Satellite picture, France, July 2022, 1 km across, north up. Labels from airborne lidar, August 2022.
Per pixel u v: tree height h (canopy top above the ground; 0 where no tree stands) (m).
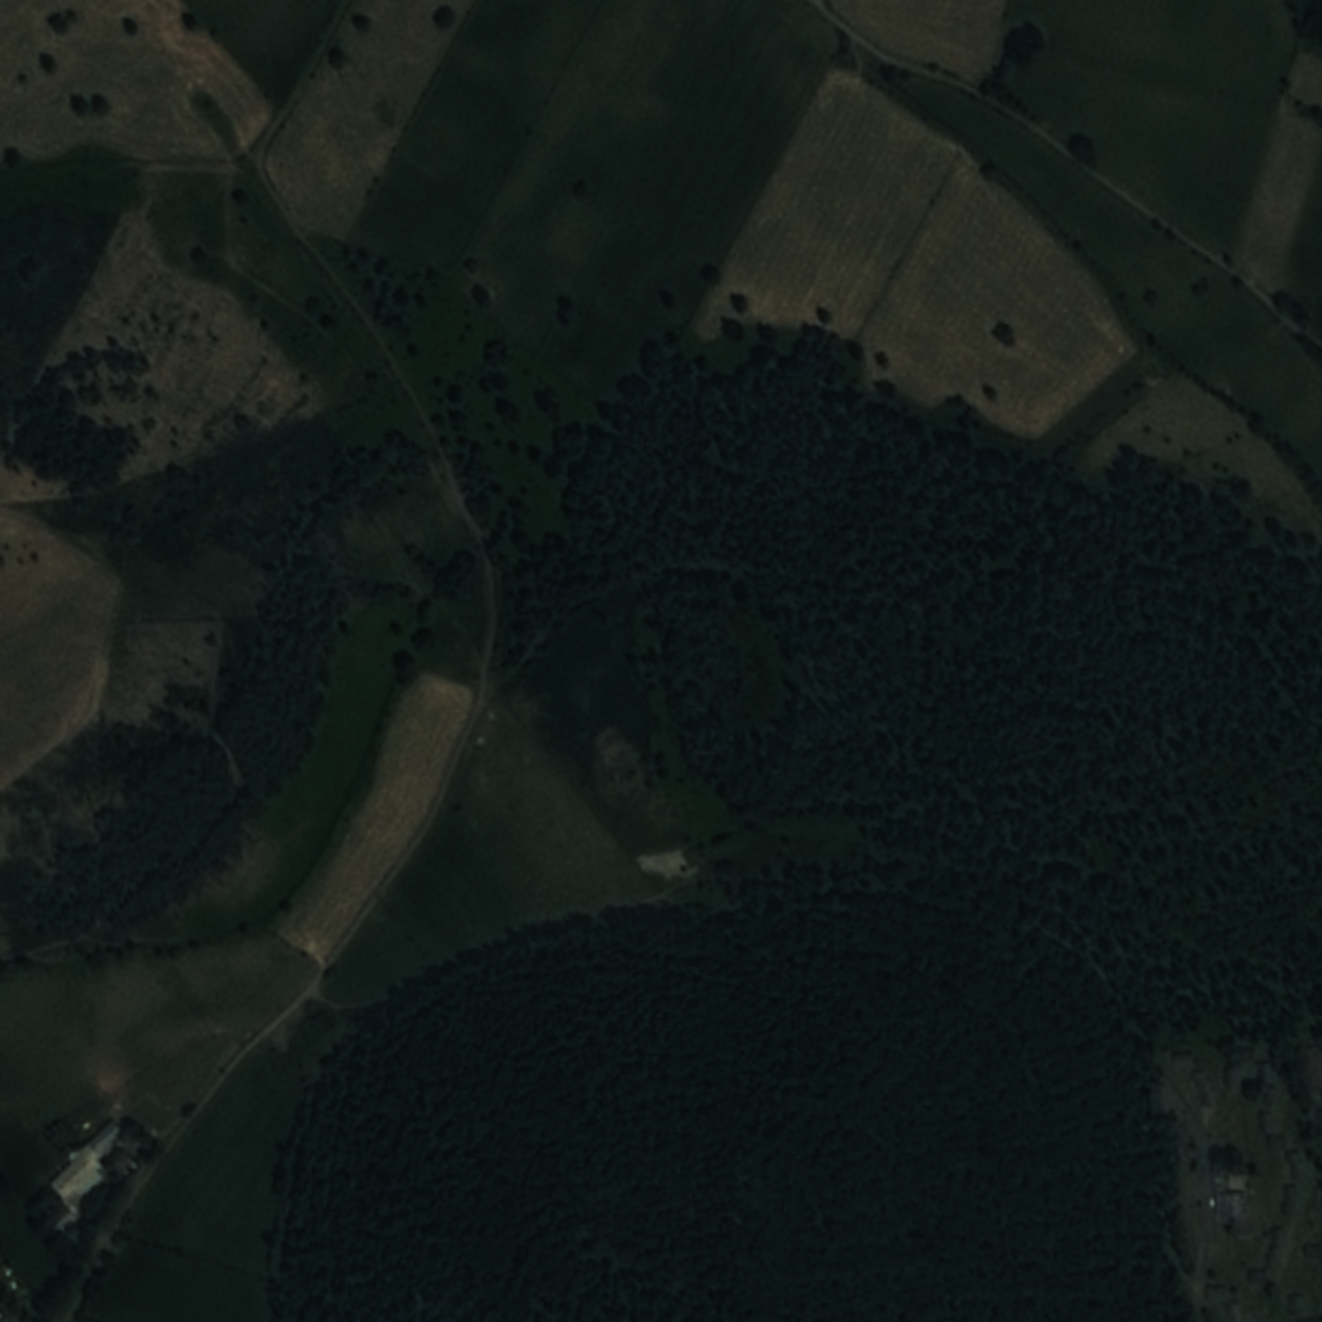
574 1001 9
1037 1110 17
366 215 0
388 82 0
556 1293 11
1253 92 0
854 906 17
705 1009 12
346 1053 8
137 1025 0
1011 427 0
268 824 0
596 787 0
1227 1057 10
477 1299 9
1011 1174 18
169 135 0
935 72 10
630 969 10
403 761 0
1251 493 17
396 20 0
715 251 0
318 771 0
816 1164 17
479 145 0
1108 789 21
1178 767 7
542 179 0
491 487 10
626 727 0
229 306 0
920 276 0
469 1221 10
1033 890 16
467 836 0
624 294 0
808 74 0
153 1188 0
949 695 16
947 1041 16
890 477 15
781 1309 13
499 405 9
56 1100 0
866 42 0
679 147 0
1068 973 19
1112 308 0
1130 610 12
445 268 0
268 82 0
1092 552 18
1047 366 0
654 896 0
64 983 0
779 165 0
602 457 24
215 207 0
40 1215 9
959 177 0
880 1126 17
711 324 0
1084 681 14
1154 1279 15
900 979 18
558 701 0
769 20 0
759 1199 12
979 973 20
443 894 0
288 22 0
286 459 0
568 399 0
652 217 0
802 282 0
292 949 0
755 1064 11
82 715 0
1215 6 0
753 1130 15
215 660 0
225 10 0
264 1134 0
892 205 0
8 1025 0
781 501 15
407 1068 11
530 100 0
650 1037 14
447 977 13
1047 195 0
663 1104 12
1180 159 0
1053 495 18
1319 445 0
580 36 0
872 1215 19
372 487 11
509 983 12
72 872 7
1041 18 0
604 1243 7
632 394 23
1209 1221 0
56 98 0
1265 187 0
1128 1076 18
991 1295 15
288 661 13
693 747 20
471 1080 7
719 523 16
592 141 0
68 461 14
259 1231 0
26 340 0
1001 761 18
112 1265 10
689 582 17
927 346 0
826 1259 19
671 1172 8
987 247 0
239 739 17
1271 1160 0
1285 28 0
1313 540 18
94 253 0
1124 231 0
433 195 0
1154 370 0
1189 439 0
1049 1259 16
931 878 6
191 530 0
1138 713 25
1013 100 7
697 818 0
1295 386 0
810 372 19
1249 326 0
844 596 10
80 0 0
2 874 0
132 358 12
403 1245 11
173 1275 0
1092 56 0
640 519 11
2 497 0
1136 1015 14
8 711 0
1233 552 16
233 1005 0
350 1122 11
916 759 9
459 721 0
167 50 0
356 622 0
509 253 0
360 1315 13
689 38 0
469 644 0
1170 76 0
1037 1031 20
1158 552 19
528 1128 6
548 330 0
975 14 0
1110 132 0
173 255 0
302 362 0
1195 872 11
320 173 0
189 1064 0
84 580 0
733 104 0
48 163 0
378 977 0
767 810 14
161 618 0
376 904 0
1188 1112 0
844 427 25
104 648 0
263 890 0
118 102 0
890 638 19
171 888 12
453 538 0
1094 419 0
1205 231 0
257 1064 0
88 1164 0
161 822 15
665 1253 10
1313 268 0
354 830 0
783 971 10
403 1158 9
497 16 0
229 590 0
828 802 17
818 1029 13
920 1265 14
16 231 0
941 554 18
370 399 0
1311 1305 0
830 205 0
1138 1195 21
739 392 22
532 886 0
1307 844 6
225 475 0
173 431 8
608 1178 8
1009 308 0
